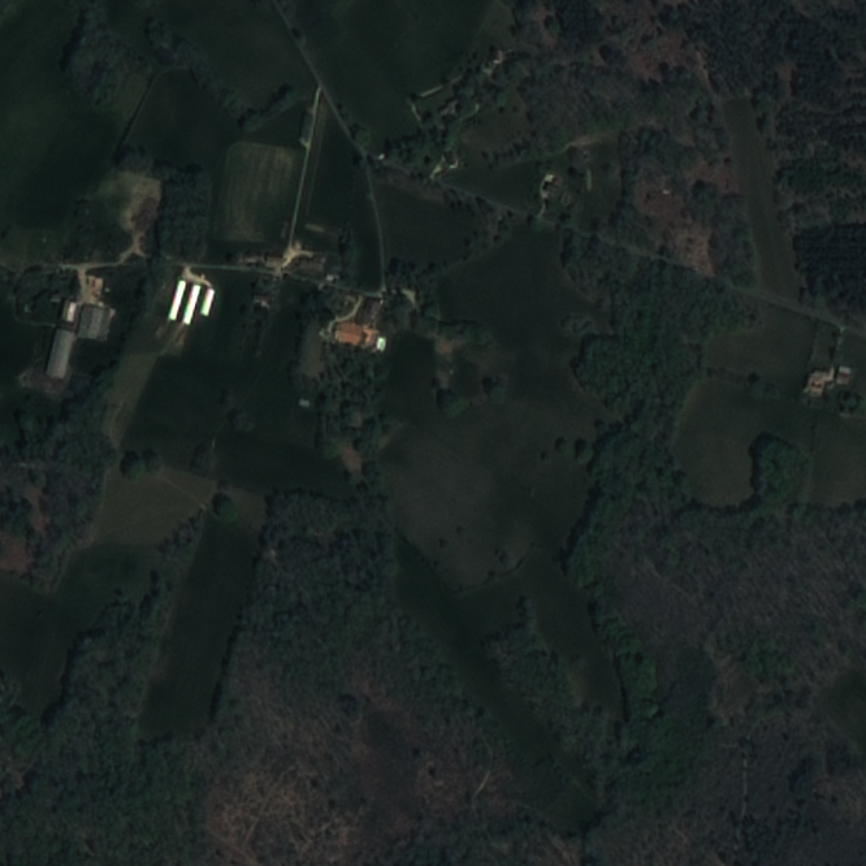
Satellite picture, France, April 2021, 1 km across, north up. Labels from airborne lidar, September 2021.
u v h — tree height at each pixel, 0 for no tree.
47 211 0
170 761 22
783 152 14
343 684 9
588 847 18
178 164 0
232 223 0
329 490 0
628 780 25
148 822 27
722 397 0
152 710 0
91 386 15
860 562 20
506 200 0
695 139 15
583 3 24
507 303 0
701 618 11
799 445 0
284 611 13
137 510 0
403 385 0
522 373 0
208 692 0
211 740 19
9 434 0
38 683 0
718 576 20
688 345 22
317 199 0
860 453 0
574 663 10
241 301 0
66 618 0
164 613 15
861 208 8
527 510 0
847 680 0
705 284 15
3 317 0
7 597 0
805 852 8
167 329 0
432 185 12
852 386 0
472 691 0
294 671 19
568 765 0
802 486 22
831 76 23
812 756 11
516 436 0
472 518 0
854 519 22
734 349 0
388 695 9
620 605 12
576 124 21
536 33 20
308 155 0
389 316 9
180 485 0
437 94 0
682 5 0
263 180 0
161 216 11
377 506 24
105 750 29
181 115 0
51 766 21
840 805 14
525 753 0
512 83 16
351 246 10
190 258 16
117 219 0
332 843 7
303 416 0
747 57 26
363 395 15
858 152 9
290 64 0
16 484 22
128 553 0
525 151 11
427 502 0
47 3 0
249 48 0
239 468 0
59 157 0
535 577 0
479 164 0
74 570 0
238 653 15
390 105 0
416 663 18
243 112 14
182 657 0
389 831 0
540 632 0
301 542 13
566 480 0
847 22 22
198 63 19
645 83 14
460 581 0
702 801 10
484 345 12
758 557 21
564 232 9
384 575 21
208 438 0
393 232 0
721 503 0
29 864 8
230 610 0
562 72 13
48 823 26
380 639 12
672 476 15
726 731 14
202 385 0
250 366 0
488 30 0
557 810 0
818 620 20
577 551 23
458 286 0
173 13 0
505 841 15
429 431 0
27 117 0
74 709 22
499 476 0
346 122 13
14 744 21
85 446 24
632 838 10
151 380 0
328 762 13
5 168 0
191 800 8
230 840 0
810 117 8
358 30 0
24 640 0
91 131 0
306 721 14
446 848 14
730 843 8
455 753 7
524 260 0
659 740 21
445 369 0
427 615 0
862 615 16
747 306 7
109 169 0
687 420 0
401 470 0
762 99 21
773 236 0
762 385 16
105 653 23
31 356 0
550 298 0
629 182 12
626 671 20
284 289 0
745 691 0
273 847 11
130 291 0
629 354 22
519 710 0
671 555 22
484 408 0
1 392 0
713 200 21
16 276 11
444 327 12
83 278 0
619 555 12
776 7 22
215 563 0
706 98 19
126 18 0
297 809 0
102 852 21
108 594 0
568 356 0
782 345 0
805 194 9
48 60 0
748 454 0
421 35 0
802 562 18
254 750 16
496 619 0
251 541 0
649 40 12
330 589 17
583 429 0
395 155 24
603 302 12
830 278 8
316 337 0
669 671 10
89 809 22
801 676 15
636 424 24
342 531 9
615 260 17
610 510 25
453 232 0
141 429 0
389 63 0
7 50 0
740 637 19
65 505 18
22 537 19
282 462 0
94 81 19
